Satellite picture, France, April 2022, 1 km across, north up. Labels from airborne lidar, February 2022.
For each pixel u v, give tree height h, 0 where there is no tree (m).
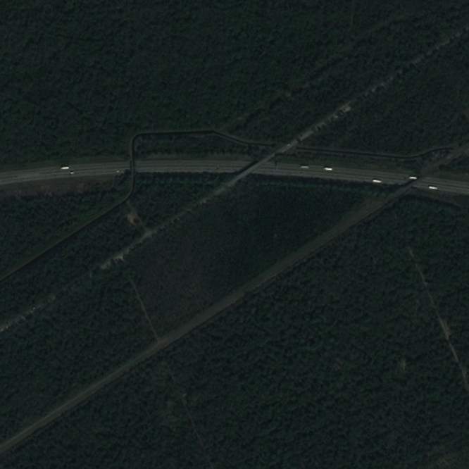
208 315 0
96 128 17
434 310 10
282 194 16
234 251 12
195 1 15
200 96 20
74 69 15
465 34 17
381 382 16
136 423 6
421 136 10
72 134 17
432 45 13
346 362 23
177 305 10
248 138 8
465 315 16
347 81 17
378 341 19
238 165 0
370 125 17
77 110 18
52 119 19
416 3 11
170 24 19
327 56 9
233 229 11
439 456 11
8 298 12
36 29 17
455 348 15
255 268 10
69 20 17
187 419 16
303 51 18
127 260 12
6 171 0
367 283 22
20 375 15
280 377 22
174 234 11
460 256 15
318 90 13
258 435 11
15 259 12
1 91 19
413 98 11
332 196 10
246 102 15
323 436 17
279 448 18
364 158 7
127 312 18
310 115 13
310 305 17
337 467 13
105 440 14
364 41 10
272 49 22
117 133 17
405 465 18
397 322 20
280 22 22
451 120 11
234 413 18
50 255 9
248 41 21
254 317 24
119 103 16
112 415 13
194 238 9
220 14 20
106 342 17
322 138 9
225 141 7
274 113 14
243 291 0
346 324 19
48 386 16
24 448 16
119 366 15
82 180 0
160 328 12
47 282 14
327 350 20
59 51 17
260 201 10
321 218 14
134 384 9
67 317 17
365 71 17
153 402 17
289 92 21
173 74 12
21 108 19
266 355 21
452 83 12
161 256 9
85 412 16
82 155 8
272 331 19
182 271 10
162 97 17
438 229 18
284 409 17
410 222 21
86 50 15
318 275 16
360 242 16
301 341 16
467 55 11
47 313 17
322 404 19
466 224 14
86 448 18
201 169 0
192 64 16
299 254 0
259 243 16
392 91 14
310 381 21
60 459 17
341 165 0
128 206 13
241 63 22
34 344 13
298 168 0
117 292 18
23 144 14
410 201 17
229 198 13
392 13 12
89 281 17
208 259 11
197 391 16
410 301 21
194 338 17
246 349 14
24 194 0
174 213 14
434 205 19
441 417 22
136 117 18
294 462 14
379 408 14
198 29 20
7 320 9
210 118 18
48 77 13
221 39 14
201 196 12
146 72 20
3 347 15
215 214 11
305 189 9
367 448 20
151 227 12
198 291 10
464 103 11
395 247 22
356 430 19
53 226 14
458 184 0
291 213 16
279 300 18
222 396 16
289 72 14
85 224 0
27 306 11
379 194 8
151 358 6
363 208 0
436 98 16
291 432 17
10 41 18
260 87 19
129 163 0
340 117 15
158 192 13
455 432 19
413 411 12
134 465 22
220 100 19
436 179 0
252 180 11
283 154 6
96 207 14
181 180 11
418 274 17
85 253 10
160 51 17
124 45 18
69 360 14
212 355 19
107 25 17
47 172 0
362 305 12
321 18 16
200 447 20
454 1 13
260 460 21
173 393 24
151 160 0
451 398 21
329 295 17
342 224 0
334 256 11
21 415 16
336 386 23
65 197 11
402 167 6
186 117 18
